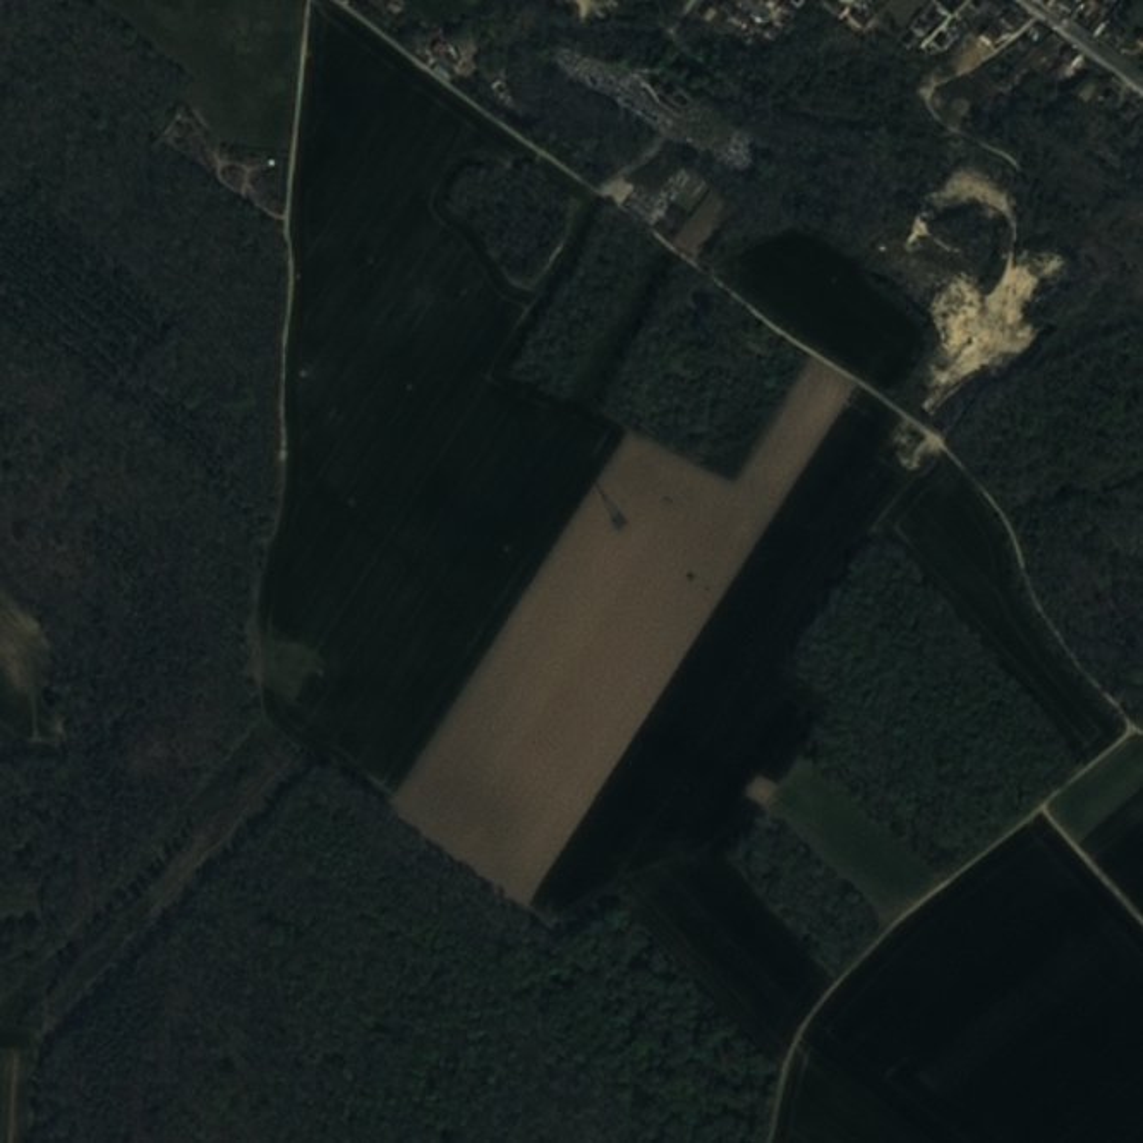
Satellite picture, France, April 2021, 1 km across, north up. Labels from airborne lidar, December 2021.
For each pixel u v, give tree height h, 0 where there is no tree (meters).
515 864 0
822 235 15
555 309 14
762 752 0
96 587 14
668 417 16
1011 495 8
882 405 0
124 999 16
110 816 18
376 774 0
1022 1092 0
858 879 0
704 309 29
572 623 0
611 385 17
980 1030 0
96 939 18
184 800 19
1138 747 0
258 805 0
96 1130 21
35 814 20
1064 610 21
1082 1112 0
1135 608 28
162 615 21
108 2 0
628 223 18
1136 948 0
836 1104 0
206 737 23
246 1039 21
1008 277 0
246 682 18
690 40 21
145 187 19
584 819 0
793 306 0
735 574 0
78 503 15
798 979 0
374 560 0
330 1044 22
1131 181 11
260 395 21
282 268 11
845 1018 0
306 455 0
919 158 15
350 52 0
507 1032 27
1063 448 15
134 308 16
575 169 18
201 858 0
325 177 0
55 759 21
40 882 24
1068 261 17
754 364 10
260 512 16
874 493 0
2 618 0
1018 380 14
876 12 0
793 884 20
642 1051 25
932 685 23
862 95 7
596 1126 29
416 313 0
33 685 0
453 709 0
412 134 0
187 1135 22
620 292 22
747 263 0
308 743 0
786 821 0
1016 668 0
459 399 0
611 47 18
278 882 25
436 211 0
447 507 0
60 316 12
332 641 0
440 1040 24
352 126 0
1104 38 0
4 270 10
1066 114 9
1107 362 19
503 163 0
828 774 12
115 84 16
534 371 18
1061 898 0
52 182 20
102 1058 18
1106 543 21
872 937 14
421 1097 25
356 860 25
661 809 0
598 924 20
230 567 17
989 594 0
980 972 0
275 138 0
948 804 25
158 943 16
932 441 0
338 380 0
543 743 0
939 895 0
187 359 21
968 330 0
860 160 20
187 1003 22
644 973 26
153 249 21
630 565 0
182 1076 22
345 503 0
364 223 0
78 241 14
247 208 18
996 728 25
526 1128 25
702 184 9
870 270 7
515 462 0
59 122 17
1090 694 13
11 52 21
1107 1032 0
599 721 0
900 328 0
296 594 0
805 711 0
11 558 25
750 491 0
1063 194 10
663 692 0
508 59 23
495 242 14
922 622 22
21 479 15
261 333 22
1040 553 16
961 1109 0
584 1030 26
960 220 6
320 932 25
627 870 0
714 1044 17
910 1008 0
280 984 27
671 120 0
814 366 0
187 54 0
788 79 12
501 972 28
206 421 16
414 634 0
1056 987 0
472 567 0
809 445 0
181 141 7
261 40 0
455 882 22
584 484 0
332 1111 24
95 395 19
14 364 19
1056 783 22
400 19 8
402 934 23
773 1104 13
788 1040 0
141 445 21
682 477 0
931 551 0
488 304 0
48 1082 19
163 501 17
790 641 0
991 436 15
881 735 23
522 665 0
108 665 20
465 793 0
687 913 0
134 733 14
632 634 0
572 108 19
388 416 0
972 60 0
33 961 16
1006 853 0
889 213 6
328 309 0
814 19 14
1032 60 0
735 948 0
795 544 0
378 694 0
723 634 0
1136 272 6
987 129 18
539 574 0
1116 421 14
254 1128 24
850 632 23
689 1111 24
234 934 22
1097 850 0
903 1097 0
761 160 20
